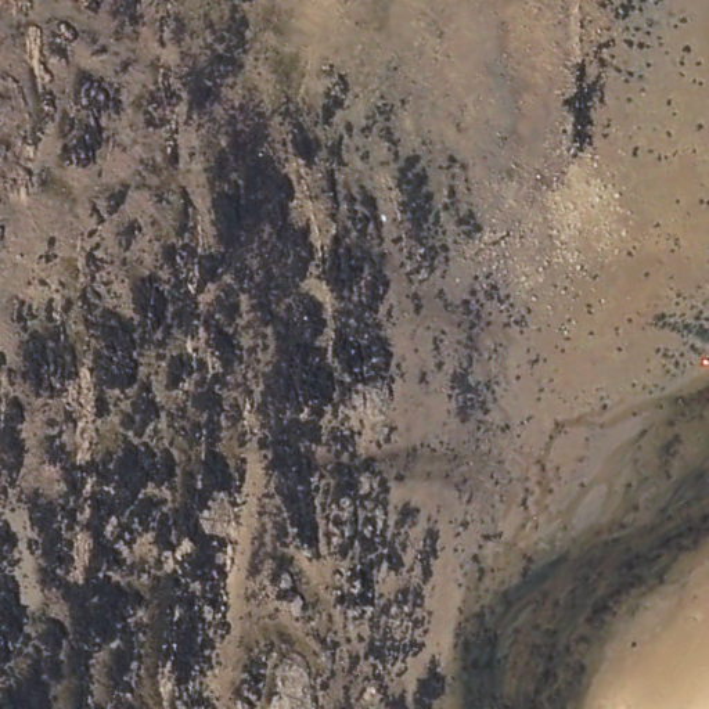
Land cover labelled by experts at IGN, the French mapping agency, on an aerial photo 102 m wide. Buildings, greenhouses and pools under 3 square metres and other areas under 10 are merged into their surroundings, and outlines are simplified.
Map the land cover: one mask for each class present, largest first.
<instances>
[{"label":"bare soil","instance_id":"1","mask_svg":"<svg viewBox=\"0 0 709 709\"><path fill-rule=\"evenodd\" d=\"M230 8H241L249 19L244 69L227 78L222 86V97L205 105L199 114H194L188 125V89L183 83V75L188 69L202 66L210 55L224 53L219 36L227 28ZM579 61L587 66V78L593 83H604V105H595L590 114L593 141L587 147L573 141V114L565 108V100L576 91ZM255 125H263L269 130V138L263 141L260 155L277 158V166L291 177L294 186L291 222L299 227H310L313 260L302 288L313 294L324 307V332L318 335V346L324 349V355L335 349V296L330 285L321 280V258L330 252V241L341 227L349 233L346 244L357 241L360 216L366 213L363 194L371 191L377 197L388 255V296L379 302L377 318L393 352V393H385L382 385H357L352 402H346L343 407H324L321 427L341 432L355 429L357 451L371 457L377 468L385 471L391 487L388 537L393 535L402 504L418 507V518L410 526L402 568L391 571L388 565H382L374 573V601L368 607L338 604L341 593H360V582L349 579V562L343 557H332L327 551L321 529V559H310V551L296 537V526L291 521L285 501L277 496V474L266 468L271 451L258 449L263 438L258 407L266 374L271 371L277 355L274 330L258 318L252 299L246 294L238 299V318H224L222 307L213 302L219 291L210 282L199 296V310H208L219 321V327L241 343V363L233 366L227 388H216V396H222L219 454H224V460L244 457L246 479L238 493V507L227 504V493H216L208 510L199 515V523L208 535L227 537V548L216 559L224 562L227 571L224 598L230 604V634L210 651L213 670H208L205 665H194L188 684L174 681L172 662H158L161 645L155 637H136V651L127 670L130 692H114L111 656L122 643L108 640L91 656L89 706L100 703L102 709H460L454 698L443 695V676L460 665L454 659L457 620L463 615L479 612L501 590L518 584L523 571V554L546 551L548 557H557L587 526L615 521L623 504V485L634 479L631 446L626 440L634 438L648 421L667 418L670 396L692 393L709 382V0H0V427L6 421L11 399H19L25 407V421L19 429L25 440L22 471L8 474L6 465H0V523L8 521L11 532L17 535L14 554L19 565L14 571V579L19 584V598L28 607L25 629L17 634L14 643H8L11 659L0 665V695L6 687L22 684L33 656H50L47 640L42 634L50 626V620L69 618V607L61 598V593L39 584V562L28 551V540L36 535L25 507L30 490H42L53 499L66 487L61 471L50 465L42 438L55 435L66 449L75 451L78 463L100 460L108 449L122 454V449L130 443L166 449L172 435L166 415L197 388L188 379H183L177 388H166L172 357H199L205 360L208 374H216L222 368V360L208 343L205 330H197V335L191 338L183 330L172 332L166 349L133 352V357L138 360V377L130 388H111L108 415L97 418L91 363L102 341L83 324L100 321V316L108 307L130 318L136 313L130 288L147 274L161 280V291H172V274L161 252L163 246L194 244L197 252H216L219 241L213 227L205 169L230 144L227 136L233 130H252ZM55 327L69 330V338L78 349L80 374L78 379H69L64 396H36L33 388L22 382L19 343L33 332ZM91 554L89 532H78L69 582H83ZM116 551L125 559L122 568L114 571L111 565H102L100 579H111L122 587L141 590L152 579L172 573L186 554H191V540H183L174 551H166L155 546V535H141L136 546L119 543ZM659 709H709V667L687 670L673 701H665ZM75 679L69 676L50 687V709H72Z\"/></svg>","mask_w":709,"mask_h":709},{"label":"herbaceous vegetation","instance_id":"2","mask_svg":"<svg viewBox=\"0 0 709 709\"><path fill-rule=\"evenodd\" d=\"M249 19L241 8H230L227 28L219 36L224 53L210 55L202 66L188 69L183 75V83L188 89V125L194 114H199L205 105L222 97V86L227 78L244 69ZM595 105H604V83H593L587 78V66L579 61L576 91L565 100V108L573 114V141L587 147L593 141L590 114ZM269 138V130L263 125H255L252 130H233L227 136L230 144L205 169L213 227L219 241L216 252H197L194 244L163 246L161 252L172 274V291H161V280L147 274L130 288L136 313L130 318L108 307L100 316V321L83 324L102 341L91 363L97 418L108 415L111 388H130L138 377V360L133 357V352L166 349L172 332L183 330L191 338L197 335V330H205L208 343L222 360V368L216 374H208L205 360L199 357H172L166 388H177L183 379H188L197 388L166 415L172 435L166 449L130 443L122 449V454L108 449L100 460L78 463L75 451L66 449L55 435L42 438L50 465L61 471L66 487L53 499L42 490H30L25 507L36 535L28 540V551L39 562V584L61 593V598L69 607V618L50 620V626L42 634L47 640L50 656H33L22 684L6 687L0 695V709H50V687L69 676L75 679L72 709H102L100 703L89 706L91 656L108 640L122 643L111 656L114 692H130L127 670L136 651V637H155L161 645L158 662H172L174 681L188 684L194 665H205L208 670H213L210 651L230 634V604L224 598L227 571L224 562L216 559L227 548V537L208 535L199 523V515L208 510L216 493H227V504L238 507V493L246 479L244 457L224 460V454H219L222 396H216V388H227L233 366L241 363V343L219 327V321L208 310H199V296L210 282L219 291L213 302L222 307L224 318H238V299L246 294L252 299L258 318L274 330L277 355L271 371L266 374L258 407L263 438L258 449L271 451L266 468L277 474V496L285 501L291 521L296 526V537L310 551V559H321V529L327 551L332 557H343L349 562V579L360 582V593H341L338 604L368 607L374 601V573L382 565H388L391 571L402 568L410 526L418 518V507L402 504L393 535L388 537L391 487L385 471L377 468L371 457L357 451L355 429L341 432L321 427L324 407H343L346 402H352L357 385H382L385 393H393V352L377 318L379 302L388 296V255L377 197L371 191L363 194L366 213L360 216L357 241L346 244L349 233L341 227L330 241V252L321 258V280L330 285L335 296V349L324 355V349L318 346V335L324 332V307L313 294L302 288L313 260L310 227H299L291 222L294 186L291 177L277 166V158L260 155L263 141ZM78 532H89L91 554L83 582H69ZM141 535H155V546L166 551H174L183 540H191V554H186L172 573L152 579L141 590L122 587L111 579H100L102 565H111L114 571L122 568L125 559L116 551L119 543L136 546ZM22 382L33 388L36 396H64L69 379H78L80 374L78 349L69 338V330L55 327L33 332L19 343ZM25 421V407L19 399H11L6 421L0 427V465H6L8 474L22 471L25 440L19 429ZM17 535L11 532L8 521L0 523V665L11 659L8 643H14L17 634L25 629L28 607L19 598V584L14 579V571L19 565L14 554Z\"/></svg>","mask_w":709,"mask_h":709},{"label":"water","instance_id":"3","mask_svg":"<svg viewBox=\"0 0 709 709\"><path fill-rule=\"evenodd\" d=\"M631 446L634 479L623 485V504L615 521L587 526L557 557H548L546 551L523 554V571L518 584L501 590L479 612L463 615L457 620L454 659L460 665L443 676V695L454 698L460 709H659L665 701H673L687 670L709 667V382L692 393L670 396L667 418L648 421L634 438L626 440Z\"/></svg>","mask_w":709,"mask_h":709}]
</instances>
